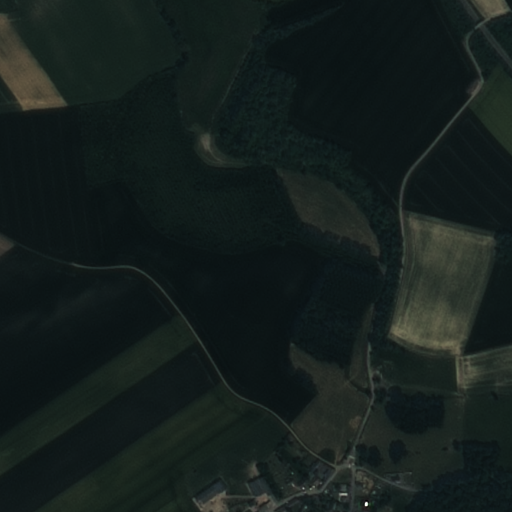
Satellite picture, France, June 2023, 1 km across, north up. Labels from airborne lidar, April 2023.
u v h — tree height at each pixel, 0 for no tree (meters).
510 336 0
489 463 10
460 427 0
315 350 25
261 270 0
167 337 0
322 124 0
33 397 0
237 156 6
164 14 21
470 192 0
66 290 0
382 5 0
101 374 0
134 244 0
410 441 0
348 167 17
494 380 0
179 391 0
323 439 0
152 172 0
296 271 0
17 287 0
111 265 0
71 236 0
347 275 26
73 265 0
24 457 0
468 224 0
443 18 0
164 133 0
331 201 0
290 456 0
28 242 0
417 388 0
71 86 0
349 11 0
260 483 0
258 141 10
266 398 0
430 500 25
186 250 0
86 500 0
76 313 0
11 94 0
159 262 0
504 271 0
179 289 0
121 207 0
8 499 0
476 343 0
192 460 0
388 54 0
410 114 0
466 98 0
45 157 0
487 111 0
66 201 0
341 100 0
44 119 0
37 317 0
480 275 0
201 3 0
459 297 0
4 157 0
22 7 0
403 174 0
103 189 0
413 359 0
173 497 0
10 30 0
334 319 24
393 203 0
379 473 0
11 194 0
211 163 0
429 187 0
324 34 0
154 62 0
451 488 19
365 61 0
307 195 0
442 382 0
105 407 0
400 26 0
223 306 0
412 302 0
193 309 0
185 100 0
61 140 0
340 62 0
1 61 0
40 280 0
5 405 0
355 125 0
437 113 0
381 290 20
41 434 0
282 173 0
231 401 0
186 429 0
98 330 0
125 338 0
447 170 0
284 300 0
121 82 0
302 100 0
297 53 0
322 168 15
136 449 0
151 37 0
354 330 20
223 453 0
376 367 0
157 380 0
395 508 0
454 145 0
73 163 0
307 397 0
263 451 0
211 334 0
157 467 0
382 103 0
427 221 0
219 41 0
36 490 0
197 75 0
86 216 0
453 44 0
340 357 28
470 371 0
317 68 0
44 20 0
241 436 0
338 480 0
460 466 0
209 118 0
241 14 0
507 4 0
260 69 15
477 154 0
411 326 0
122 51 0
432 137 0
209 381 0
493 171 0
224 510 0
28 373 0
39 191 0
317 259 0
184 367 0
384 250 13
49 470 0
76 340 0
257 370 0
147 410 0
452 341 0
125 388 0
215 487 0
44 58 0
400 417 17
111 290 0
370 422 0
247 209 0
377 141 0
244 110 15
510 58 10
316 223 0
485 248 0
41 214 0
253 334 0
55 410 0
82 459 0
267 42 8
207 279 0
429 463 0
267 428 0
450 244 0
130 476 0
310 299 10
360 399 0
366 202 11
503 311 0
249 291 0
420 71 0
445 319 0
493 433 0
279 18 0
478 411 0
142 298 0
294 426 0
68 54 0
